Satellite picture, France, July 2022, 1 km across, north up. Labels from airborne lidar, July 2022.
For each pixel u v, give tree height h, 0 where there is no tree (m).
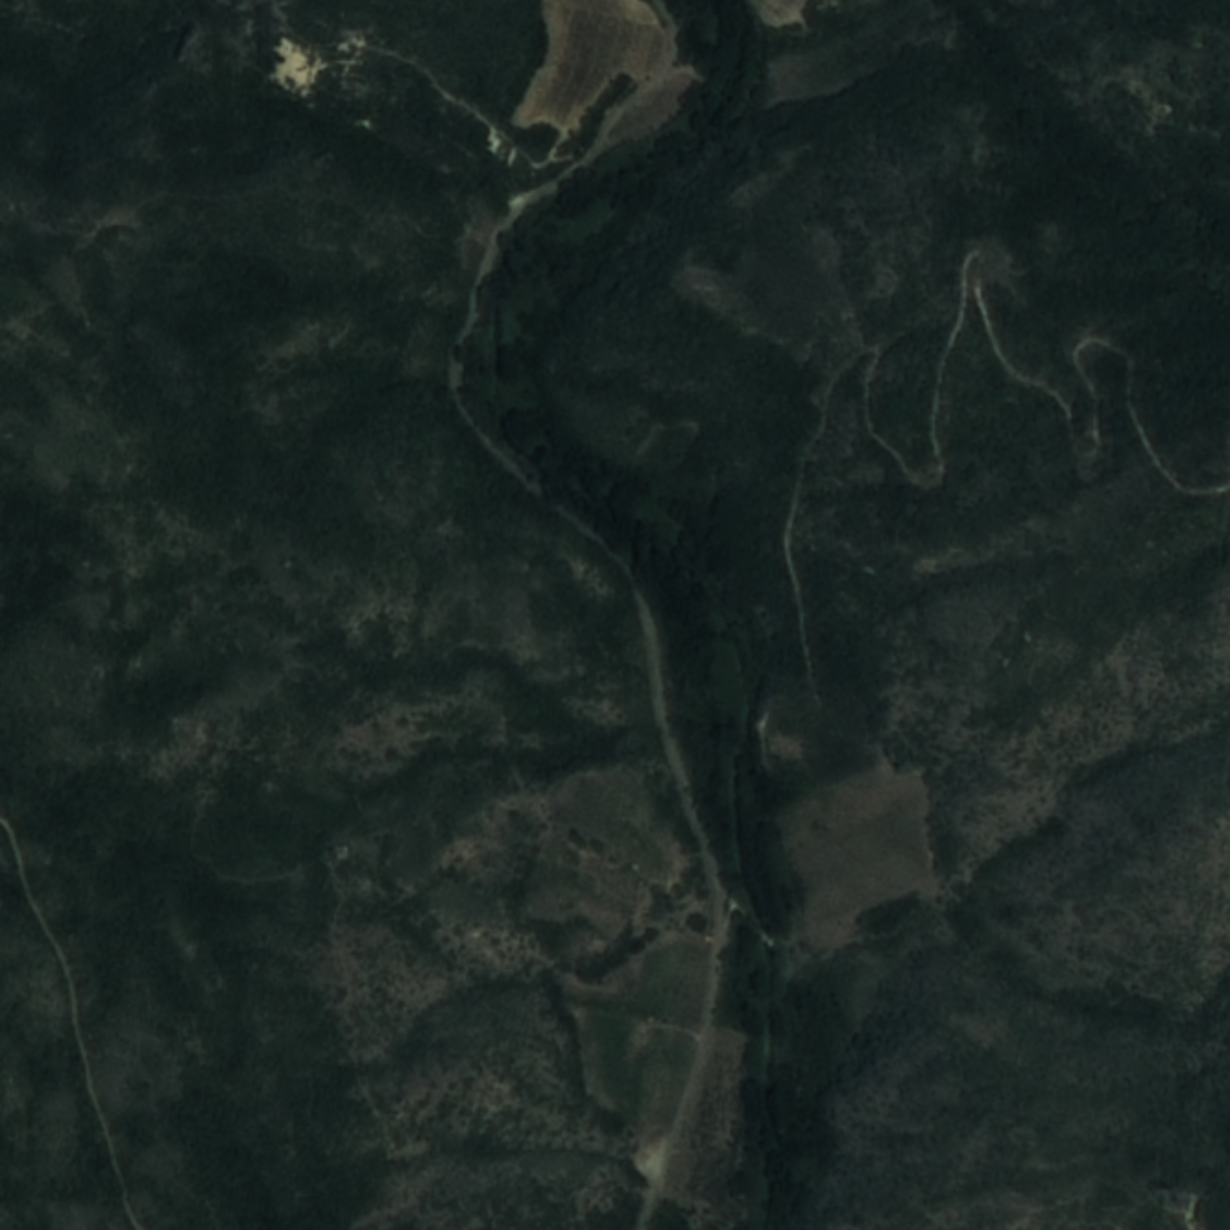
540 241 5
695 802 8
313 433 7
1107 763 6
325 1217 6
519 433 25
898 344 7
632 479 14
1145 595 6
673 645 10
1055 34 6
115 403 6
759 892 23
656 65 0
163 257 6
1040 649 0
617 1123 9
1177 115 7
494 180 10
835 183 5
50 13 6
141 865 8
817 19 7
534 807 0
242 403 6
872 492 6
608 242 7
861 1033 7
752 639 7
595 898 0
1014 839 6
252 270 9
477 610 0
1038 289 5
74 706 0
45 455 0
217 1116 6
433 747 7
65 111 7
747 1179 12
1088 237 7
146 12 9
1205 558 8
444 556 6
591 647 7
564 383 8
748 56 12
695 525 19
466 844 0
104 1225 6
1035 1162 0
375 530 8
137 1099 0
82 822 7
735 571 9
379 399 7
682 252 6
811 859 0
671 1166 0
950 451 6
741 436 7
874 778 0
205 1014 6
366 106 5
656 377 6
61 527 7
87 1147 7
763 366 11
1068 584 0
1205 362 6
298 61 0
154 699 8
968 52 7
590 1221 6
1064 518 0
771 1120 8
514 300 8
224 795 7
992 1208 0
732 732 27
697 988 0
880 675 6
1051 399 6
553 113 0
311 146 6
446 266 6
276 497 7
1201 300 8
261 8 8
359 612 0
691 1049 0
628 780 0
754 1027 17
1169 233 12
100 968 6
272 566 0
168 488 7
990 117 8
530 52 6
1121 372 10
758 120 11
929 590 6
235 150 8
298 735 6
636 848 0
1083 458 0
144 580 6
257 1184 7
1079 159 8
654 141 7
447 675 8
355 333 6
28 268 8
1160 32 8
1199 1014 7
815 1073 7
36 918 5
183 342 5
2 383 6
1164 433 5
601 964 7
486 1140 7
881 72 7
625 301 7
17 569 7
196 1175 6
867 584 7
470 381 7
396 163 7
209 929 8
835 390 7
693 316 6
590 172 18
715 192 6
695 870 6
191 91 6
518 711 6
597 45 0
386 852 5
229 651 5
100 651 6
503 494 9
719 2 18
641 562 25
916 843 0
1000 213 7
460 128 6
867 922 6
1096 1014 6
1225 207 13
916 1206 0
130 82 7
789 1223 10
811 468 7
